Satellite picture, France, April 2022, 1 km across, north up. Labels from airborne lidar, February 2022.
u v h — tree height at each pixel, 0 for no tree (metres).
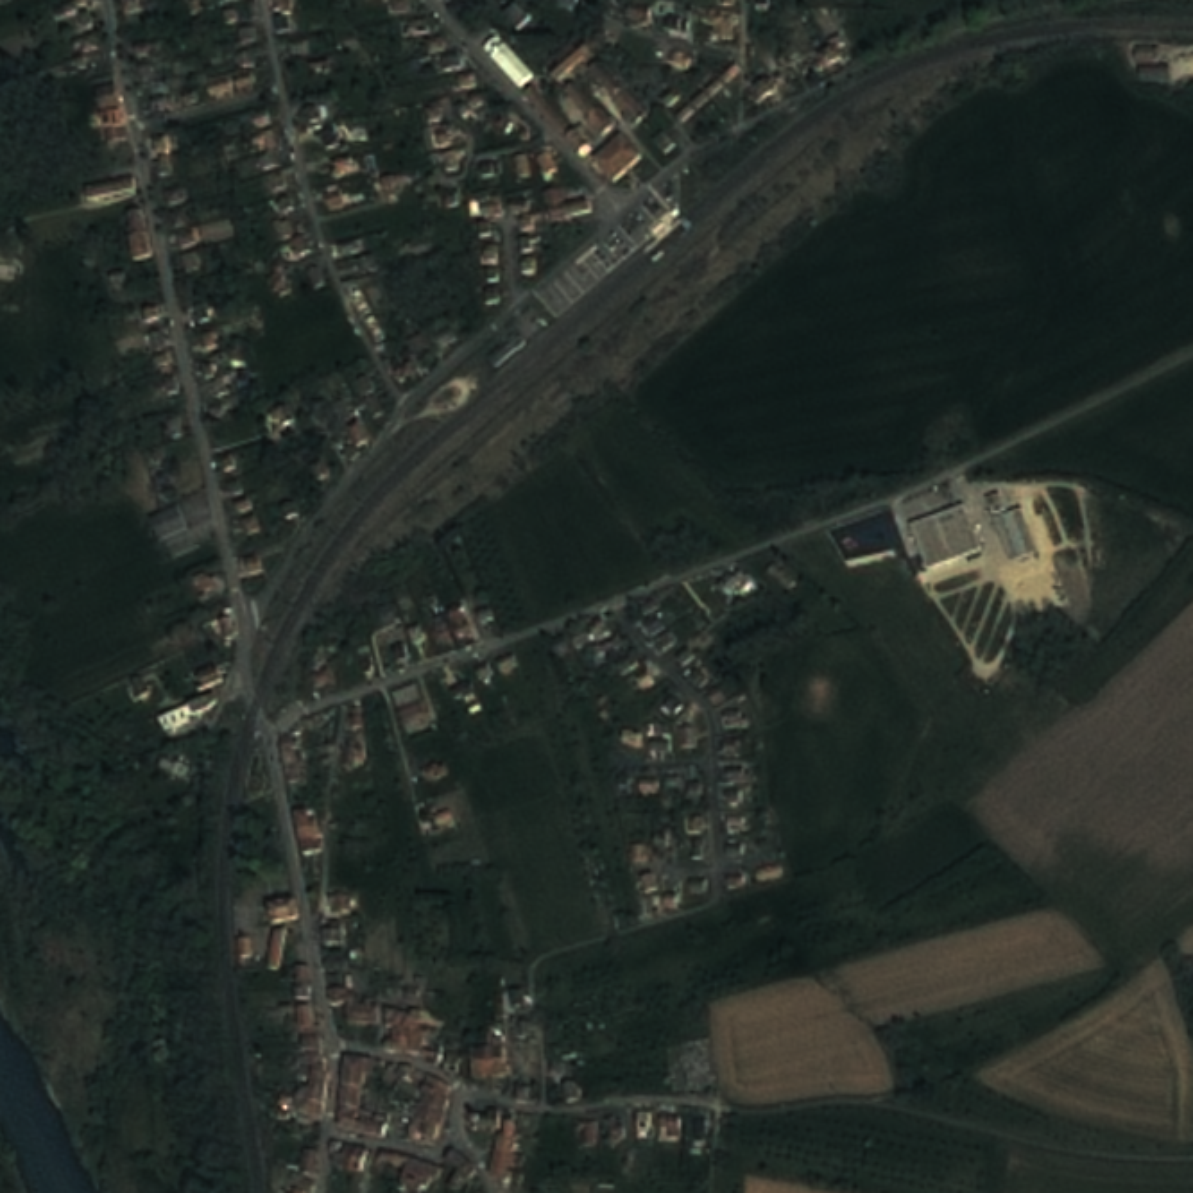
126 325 0
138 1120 0
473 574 7
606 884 7
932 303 0
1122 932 0
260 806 0
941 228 0
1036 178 0
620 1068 0
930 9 0
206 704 0
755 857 0
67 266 0
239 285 16
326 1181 0
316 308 0
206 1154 22
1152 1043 0
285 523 6
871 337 0
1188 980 12
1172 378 0
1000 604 0
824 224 0
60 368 0
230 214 6
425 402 0
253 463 0
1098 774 0
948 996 0
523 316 0
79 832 10
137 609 0
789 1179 0
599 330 0
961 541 0
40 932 6
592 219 0
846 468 0
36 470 0
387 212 0
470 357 0
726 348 0
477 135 10
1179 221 0
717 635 0
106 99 0
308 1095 0
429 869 0
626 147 0
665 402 0
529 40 12
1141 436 0
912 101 0
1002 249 0
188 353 0
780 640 21
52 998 0
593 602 0
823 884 0
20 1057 0
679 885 0
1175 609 0
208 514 0
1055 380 0
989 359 0
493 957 12
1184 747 0
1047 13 22
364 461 0
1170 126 0
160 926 29
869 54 18
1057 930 0
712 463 0
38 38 11
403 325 7
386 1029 0
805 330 0
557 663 10
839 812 0
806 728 0
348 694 0
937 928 0
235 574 0
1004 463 0
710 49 0
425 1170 0
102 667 0
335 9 0
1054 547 0
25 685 18
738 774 0
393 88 0
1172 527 0
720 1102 0
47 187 13
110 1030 8
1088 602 0
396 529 0
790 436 0
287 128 0
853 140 0
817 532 0
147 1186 0
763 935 0
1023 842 0
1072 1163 0
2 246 24
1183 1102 0
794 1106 0
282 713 0
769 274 0
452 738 0
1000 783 0
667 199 0
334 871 0
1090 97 0
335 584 0
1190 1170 0
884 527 0
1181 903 0
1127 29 0
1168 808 0
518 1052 0
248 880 21
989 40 0
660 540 14
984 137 0
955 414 0
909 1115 0
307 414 10
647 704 0
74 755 25
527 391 0
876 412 0
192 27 7
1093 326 0
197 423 0
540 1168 0
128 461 12
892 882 0
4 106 22
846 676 0
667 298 0
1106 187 0
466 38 0
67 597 0
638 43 0
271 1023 0
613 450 0
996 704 0
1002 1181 0
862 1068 0
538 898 0
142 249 0
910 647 0
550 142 0
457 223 0
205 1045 22
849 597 0
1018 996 0
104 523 0
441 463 0
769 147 0
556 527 0
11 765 0
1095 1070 0
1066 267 0
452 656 0
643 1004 9
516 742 0
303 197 0
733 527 0
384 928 0
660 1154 0
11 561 0
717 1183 0
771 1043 0
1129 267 0
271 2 0
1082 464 0
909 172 0
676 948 0
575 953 0
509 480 0
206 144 6
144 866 24
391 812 0
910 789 0
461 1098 0
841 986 0
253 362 8
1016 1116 0
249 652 0
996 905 0
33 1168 0
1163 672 0
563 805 0
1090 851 0
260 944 0
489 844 0
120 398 7
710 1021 12
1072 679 0
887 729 0
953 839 0
